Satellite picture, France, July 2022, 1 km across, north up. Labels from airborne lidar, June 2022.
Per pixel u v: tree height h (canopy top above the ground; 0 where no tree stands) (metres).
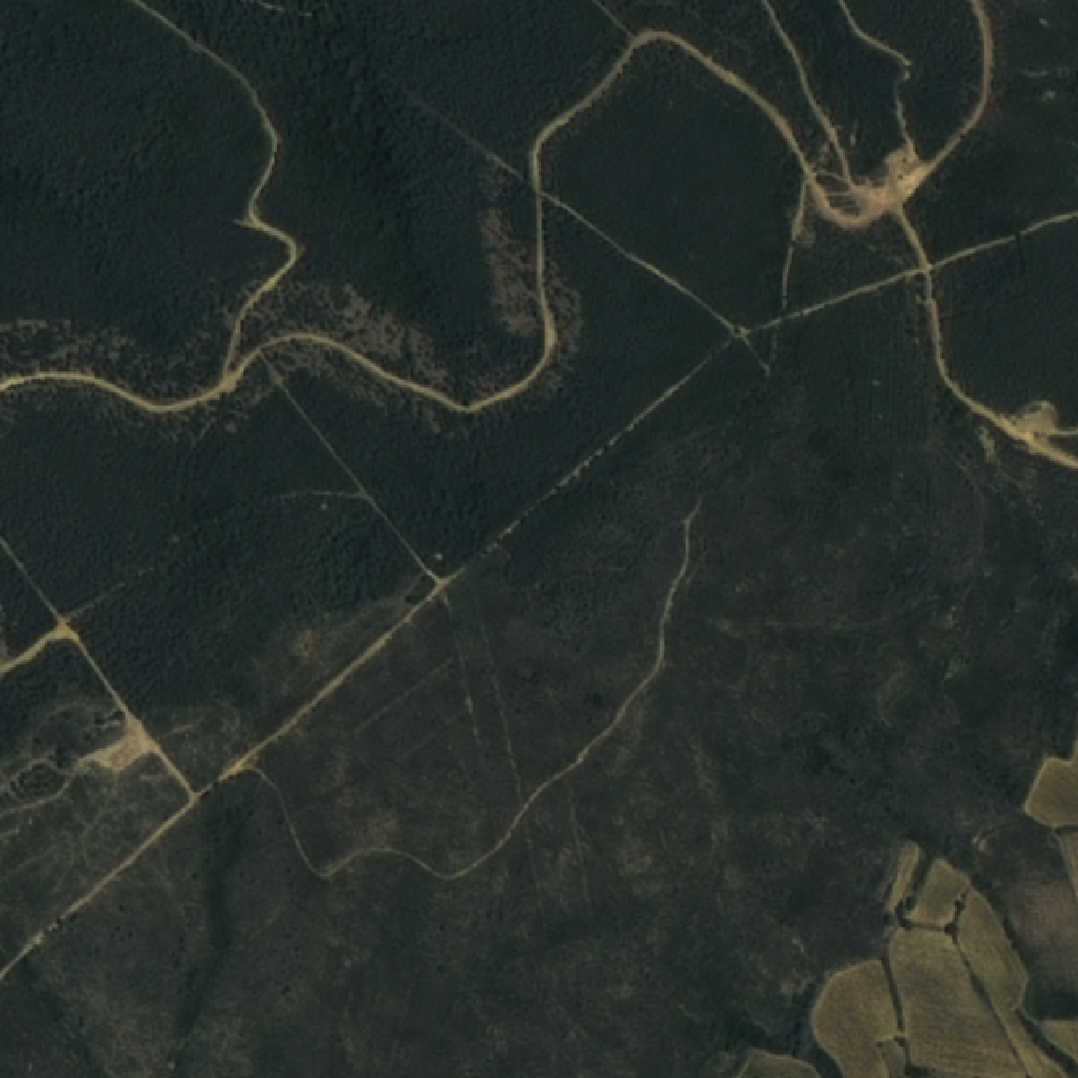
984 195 6
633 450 7
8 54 14
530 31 8
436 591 0
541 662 0
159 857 0
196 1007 0
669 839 0
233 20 13
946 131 9
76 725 0
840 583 0
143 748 0
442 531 6
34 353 7
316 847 0
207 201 7
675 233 6
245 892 0
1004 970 0
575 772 0
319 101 16
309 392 7
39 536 6
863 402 6
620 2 0
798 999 8
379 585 8
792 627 0
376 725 0
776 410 6
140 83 10
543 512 9
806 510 6
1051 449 0
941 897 0
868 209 0
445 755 0
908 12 6
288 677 0
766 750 0
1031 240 6
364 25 8
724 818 0
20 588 7
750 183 5
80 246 8
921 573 8
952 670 0
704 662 0
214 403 6
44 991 0
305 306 6
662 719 0
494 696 0
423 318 9
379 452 6
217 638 7
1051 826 0
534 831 0
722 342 6
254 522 7
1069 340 5
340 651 0
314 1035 0
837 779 7
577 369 9
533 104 7
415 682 0
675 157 6
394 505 7
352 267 7
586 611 7
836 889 0
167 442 7
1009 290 7
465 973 0
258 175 6
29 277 6
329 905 0
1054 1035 0
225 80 9
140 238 9
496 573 6
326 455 6
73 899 0
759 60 8
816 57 7
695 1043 0
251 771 0
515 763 0
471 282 7
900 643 0
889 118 7
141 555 9
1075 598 15
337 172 8
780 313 6
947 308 5
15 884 0
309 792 0
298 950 10
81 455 6
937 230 6
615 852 0
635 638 0
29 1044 0
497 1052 0
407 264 7
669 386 0
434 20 7
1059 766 0
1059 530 7
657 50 6
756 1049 9
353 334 6
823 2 8
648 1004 0
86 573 8
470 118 5
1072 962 0
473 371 7
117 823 0
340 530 9
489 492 9
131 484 7
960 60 7
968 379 5
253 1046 0
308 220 7
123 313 8
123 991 0
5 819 0
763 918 0
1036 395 5
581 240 11
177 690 10
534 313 5
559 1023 0
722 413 7
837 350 6
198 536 7
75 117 6
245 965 0
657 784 0
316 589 8
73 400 7
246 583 7
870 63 8
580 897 0
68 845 0
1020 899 0
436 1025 0
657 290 7
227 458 7
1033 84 5
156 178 11
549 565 7
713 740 0
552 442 7
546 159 6
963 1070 0
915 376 6
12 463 6
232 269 6
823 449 6
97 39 8
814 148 6
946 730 0
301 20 10
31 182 12
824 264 7
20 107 7
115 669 8
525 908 0
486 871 0
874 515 0
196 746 0
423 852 0
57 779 0
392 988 0
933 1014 0
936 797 0
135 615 10
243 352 6
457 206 8
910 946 0
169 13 16
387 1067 0
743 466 8
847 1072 0
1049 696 10
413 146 10
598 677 0
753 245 6
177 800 0
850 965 0
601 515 7
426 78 7
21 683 10
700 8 9
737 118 7
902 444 7
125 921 0
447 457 8
